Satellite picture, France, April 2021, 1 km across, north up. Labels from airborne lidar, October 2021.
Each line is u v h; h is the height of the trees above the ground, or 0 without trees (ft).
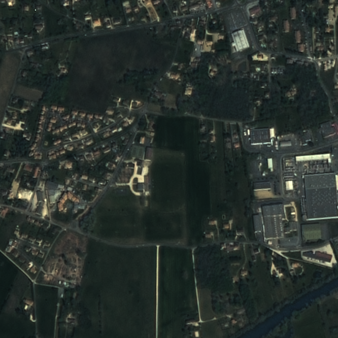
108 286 0
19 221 0
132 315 0
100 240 23
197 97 78
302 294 30
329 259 0
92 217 62
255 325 33
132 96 0
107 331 0
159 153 0
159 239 0
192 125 0
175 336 0
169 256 0
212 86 67
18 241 0
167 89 0
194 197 0
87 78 0
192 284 0
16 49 0
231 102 66
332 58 0
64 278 35
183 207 0
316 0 62
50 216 0
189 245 0
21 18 31
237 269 0
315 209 0
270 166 0
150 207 0
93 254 0
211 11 0
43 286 0
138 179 0
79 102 0
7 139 33
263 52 0
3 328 0
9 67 0
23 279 0
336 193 0
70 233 0
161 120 0
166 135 0
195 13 0
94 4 29
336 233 0
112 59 0
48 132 0
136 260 0
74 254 0
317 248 0
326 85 0
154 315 0
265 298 0
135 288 0
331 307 0
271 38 62
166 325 0
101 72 0
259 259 0
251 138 0
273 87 63
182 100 67
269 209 0
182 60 0
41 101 44
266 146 0
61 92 90
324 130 0
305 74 56
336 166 0
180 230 0
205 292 0
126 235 0
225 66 52
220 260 28
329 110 52
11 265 0
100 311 32
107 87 0
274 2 19
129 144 0
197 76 56
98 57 0
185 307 0
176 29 25
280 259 52
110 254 0
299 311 38
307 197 0
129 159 0
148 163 0
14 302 0
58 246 0
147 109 0
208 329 0
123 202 0
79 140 0
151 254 0
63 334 0
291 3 29
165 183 0
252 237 0
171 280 0
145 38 0
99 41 0
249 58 40
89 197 0
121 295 0
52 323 0
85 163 0
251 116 55
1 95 0
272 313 40
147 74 58
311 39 21
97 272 0
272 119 48
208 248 24
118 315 0
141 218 0
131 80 61
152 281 0
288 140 0
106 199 0
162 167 0
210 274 43
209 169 0
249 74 35
